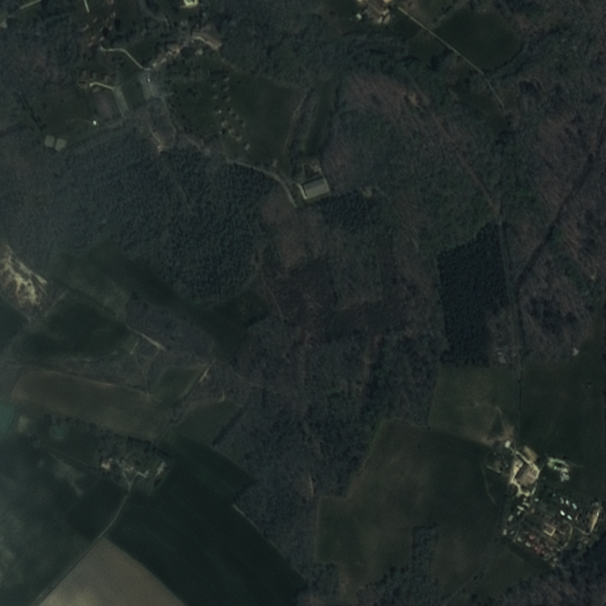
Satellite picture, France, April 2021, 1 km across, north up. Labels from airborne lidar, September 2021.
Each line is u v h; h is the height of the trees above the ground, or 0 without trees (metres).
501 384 0
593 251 21
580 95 18
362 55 24
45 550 0
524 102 13
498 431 0
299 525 14
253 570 0
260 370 17
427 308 10
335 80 12
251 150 0
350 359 21
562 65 20
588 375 0
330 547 0
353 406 17
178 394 0
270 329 16
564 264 22
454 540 0
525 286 19
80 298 0
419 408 17
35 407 0
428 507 0
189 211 18
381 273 7
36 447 13
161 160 16
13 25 19
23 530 0
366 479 0
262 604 0
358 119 19
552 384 0
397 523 0
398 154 11
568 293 20
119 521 0
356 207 16
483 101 0
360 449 11
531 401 0
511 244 12
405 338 18
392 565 0
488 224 14
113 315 0
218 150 17
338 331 7
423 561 15
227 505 0
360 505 0
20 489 0
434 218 16
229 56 15
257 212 15
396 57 13
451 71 15
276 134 0
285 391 11
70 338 0
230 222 13
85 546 0
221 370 10
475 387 0
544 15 21
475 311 16
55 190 14
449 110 22
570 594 12
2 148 18
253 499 16
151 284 0
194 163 12
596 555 14
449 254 10
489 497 0
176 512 0
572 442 0
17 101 19
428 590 13
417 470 0
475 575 0
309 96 9
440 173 16
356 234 17
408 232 14
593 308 12
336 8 0
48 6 20
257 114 0
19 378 0
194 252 11
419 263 18
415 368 15
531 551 11
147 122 10
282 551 13
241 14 24
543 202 20
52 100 0
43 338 0
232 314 0
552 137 19
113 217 13
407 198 14
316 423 16
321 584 16
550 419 0
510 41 0
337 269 14
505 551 0
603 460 0
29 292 0
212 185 8
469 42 0
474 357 16
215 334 0
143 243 15
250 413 15
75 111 0
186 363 11
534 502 7
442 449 0
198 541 0
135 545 0
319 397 18
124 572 0
